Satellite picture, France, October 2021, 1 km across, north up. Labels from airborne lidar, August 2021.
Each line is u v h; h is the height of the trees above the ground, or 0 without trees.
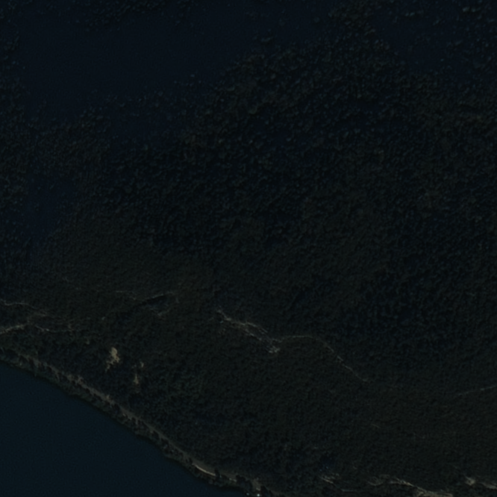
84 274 9
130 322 10
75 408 0
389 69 10
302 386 6
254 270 17
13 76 17
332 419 7
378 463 8
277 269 8
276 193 26
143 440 0
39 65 18
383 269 14
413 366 15
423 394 11
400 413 11
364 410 8
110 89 15
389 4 17
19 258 9
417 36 23
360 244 8
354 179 13
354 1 8
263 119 12
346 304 9
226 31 21
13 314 14
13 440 0
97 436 0
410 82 20
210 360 10
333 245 14
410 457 11
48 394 0
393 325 19
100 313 10
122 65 22
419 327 19
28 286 12
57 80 18
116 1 25
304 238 15
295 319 10
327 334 11
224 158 15
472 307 9
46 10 27
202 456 8
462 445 8
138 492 0
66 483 0
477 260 16
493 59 21
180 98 17
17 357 14
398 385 6
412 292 17
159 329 10
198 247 23
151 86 15
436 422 10
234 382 8
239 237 13
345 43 13
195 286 15
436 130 12
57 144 12
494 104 13
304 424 12
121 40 20
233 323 8
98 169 22
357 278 9
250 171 27
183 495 0
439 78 19
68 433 0
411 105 16
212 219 11
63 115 13
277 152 23
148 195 24
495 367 6
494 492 19
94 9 32
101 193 20
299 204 23
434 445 11
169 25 15
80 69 14
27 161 13
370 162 8
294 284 13
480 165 14
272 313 8
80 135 14
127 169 15
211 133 13
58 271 6
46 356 21
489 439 12
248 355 11
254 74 7
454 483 16
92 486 0
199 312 9
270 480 24
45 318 6
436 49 23
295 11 21
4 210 6
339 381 7
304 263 10
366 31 12
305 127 26
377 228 11
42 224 5
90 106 13
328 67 20
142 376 8
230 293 8
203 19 22
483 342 8
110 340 10
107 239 10
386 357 12
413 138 28
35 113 9
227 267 13
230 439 9
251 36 18
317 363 15
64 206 8
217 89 16
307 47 20
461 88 16
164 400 25
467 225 17
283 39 18
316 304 13
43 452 0
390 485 6
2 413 0
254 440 8
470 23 23
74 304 14
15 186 16
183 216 23
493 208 17
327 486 18
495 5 14
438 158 21
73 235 9
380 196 12
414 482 6
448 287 11
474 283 12
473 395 10
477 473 9
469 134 14
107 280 8
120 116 16
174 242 28
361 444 12
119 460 0
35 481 0
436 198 13
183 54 20
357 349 12
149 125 18
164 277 9
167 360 9
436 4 20
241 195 18
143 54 20
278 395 13
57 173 10
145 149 23
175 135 20
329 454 13
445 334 20
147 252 11
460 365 8
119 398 24
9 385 0
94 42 19
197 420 17
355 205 10
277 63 16
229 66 9
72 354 22
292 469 25
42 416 0
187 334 11
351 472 9
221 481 15
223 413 7
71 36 22
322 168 20
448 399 9
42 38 12
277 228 25
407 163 26
